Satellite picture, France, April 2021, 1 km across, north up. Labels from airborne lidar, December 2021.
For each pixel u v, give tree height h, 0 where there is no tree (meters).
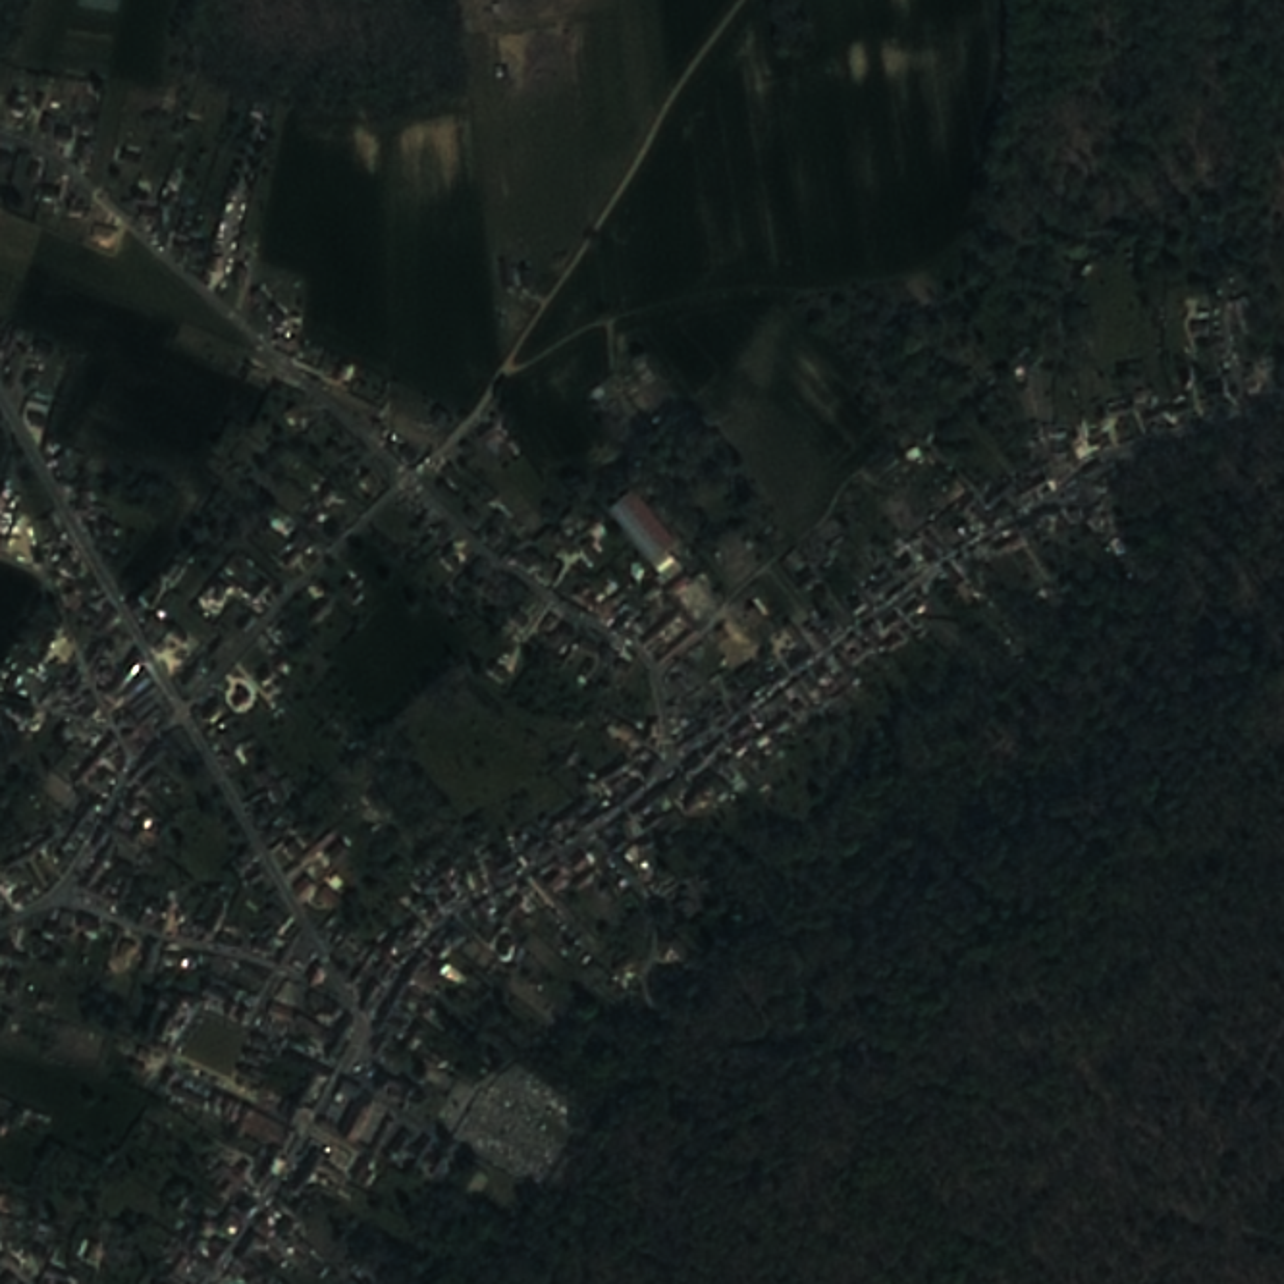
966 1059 19
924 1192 15
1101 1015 27
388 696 0
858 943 9
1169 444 17
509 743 0
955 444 13
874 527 0
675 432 17
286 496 0
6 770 7
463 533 0
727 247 0
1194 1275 17
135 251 0
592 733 0
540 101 0
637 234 0
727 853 14
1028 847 28
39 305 0
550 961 0
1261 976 26
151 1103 6
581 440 0
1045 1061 21
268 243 0
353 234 0
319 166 0
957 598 0
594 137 0
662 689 0
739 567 0
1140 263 9
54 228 0
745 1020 24
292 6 22
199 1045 0
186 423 0
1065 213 13
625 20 0
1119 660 33
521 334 0
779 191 0
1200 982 21
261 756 7
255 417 7
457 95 17
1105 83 20
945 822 16
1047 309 8
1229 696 32
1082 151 0
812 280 0
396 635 0
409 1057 6
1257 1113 31
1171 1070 27
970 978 16
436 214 0
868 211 0
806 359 0
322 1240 0
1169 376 0
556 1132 0
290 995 0
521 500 0
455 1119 0
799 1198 14
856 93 0
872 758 16
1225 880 22
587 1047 21
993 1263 17
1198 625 9
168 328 0
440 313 0
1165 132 35
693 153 0
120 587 0
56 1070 0
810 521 0
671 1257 19
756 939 25
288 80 23
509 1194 0
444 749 0
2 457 10
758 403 0
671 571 0
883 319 12
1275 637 33
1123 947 21
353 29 21
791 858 19
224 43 17
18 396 0
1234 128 24
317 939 0
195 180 6
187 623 0
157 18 0
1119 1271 22
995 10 0
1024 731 12
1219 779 21
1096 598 10
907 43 0
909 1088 18
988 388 12
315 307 0
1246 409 0
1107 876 25
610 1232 18
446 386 0
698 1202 22
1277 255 7
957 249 0
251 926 0
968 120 0
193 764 9
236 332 0
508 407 7
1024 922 24
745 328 0
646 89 0
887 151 0
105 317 0
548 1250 20
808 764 0
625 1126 18
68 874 0
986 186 26
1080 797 28
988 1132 11
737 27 0
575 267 0
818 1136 18
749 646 0
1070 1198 19
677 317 0
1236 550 34
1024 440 8
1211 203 9
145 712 0
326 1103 0
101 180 0
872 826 14
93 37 0
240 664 0
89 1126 0
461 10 9
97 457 0
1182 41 21
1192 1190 24
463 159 0
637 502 0
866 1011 27
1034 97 30
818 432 0
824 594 9
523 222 0
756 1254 9
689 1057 22
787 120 0
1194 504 20
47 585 0
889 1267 17
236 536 18
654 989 6
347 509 0
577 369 0
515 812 8
